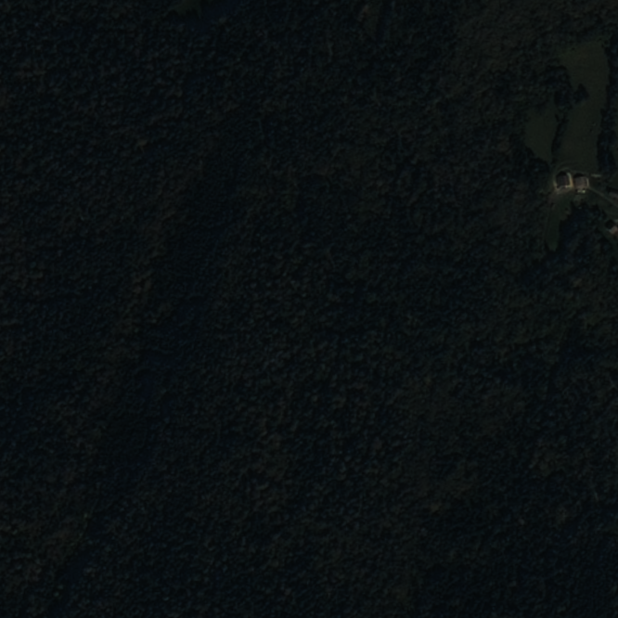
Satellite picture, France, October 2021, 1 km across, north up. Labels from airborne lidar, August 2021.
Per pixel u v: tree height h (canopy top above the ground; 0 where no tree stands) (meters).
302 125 24
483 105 16
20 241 21
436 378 16
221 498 22
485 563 22
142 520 26
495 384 19
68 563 10
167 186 16
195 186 18
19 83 16
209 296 23
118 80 24
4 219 19
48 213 17
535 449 27
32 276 23
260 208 20
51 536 21
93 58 19
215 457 26
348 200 22
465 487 20
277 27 29
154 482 23
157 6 22
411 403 14
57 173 19
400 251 22
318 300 14
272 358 25
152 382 36
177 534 28
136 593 31
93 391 18
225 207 6
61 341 18
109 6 22
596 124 0
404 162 7
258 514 18
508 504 10
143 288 28
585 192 0
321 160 23
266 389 22
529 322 20
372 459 15
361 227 24
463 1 14
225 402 21
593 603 23
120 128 20
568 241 29
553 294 18
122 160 18
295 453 23
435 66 23
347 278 22
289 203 25
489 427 26
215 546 23
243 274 20
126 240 11
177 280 18
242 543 18
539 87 19
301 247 22
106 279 23
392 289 17
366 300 24
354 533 12
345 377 24
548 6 12
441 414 20
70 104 19
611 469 24
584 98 23
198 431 10
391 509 22
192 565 22
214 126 14
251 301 26
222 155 30
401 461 16
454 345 23
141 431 24
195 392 23
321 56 20
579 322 17
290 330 14
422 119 24
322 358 23
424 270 22
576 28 17
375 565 21
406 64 15
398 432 25
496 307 15
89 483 24
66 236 20
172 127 15
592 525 22
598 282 30
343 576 20
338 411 12
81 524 8
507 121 17
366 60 8
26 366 16
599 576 22
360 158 14
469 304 12
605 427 22
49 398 26
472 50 13
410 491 17
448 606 24
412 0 9
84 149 19
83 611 17
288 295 20
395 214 25
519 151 18
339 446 13
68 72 21
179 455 24
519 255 26
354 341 17
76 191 16
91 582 24
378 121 17
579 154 0
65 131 21
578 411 22
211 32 25
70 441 19
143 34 7
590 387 17
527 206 19
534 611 21
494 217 20
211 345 22
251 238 7
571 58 0
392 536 17
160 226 22
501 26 16
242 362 23
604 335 20
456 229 21
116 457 17
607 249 17
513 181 15
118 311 21
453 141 16
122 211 14
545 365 14
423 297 21
